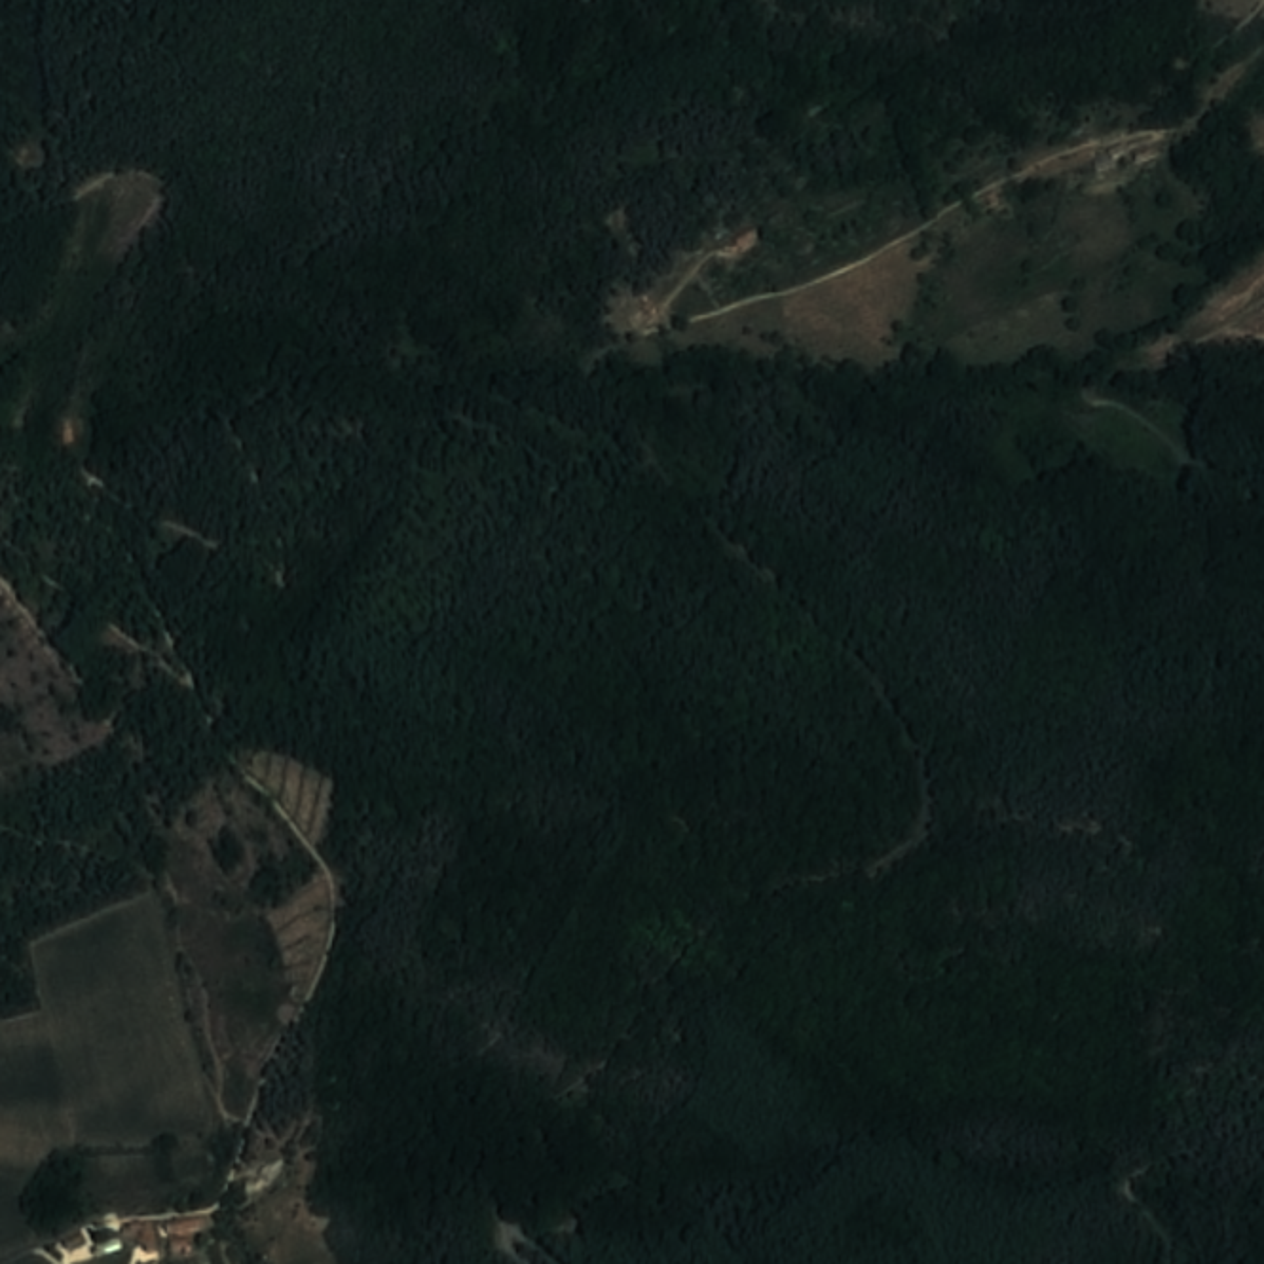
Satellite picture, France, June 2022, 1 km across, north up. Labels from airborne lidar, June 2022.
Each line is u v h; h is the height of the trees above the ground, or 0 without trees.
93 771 18
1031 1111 20
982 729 15
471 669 23
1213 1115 14
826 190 6
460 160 20
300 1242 0
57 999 0
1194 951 13
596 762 20
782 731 17
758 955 20
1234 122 24
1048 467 13
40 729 0
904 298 0
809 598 20
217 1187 0
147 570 18
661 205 14
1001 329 0
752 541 20
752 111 12
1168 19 18
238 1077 0
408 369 12
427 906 10
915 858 10
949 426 26
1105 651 19
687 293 0
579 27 22
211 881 0
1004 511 20
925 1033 11
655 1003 22
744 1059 24
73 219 18
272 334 13
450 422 27
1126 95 12
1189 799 15
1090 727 18
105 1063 0
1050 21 6
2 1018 12
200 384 13
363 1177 12
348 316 14
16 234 25
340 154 17
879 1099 19
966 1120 19
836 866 9
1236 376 35
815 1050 23
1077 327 15
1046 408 0
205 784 21
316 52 10
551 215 23
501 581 12
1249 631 17
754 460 20
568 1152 28
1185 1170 22
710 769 11
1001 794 19
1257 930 12
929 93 9
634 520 19
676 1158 20
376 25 16
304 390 20
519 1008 10
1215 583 21
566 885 16
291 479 14
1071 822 15
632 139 16
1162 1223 8
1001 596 18
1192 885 17
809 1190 21
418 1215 23
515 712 17
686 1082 10
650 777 14
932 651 15
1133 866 12
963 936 13
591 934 17
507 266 20
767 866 14
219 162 16
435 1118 19
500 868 15
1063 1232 15
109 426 21
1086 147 0
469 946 17
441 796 19
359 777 17
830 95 7
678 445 13
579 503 16
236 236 23
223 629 14
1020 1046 16
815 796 16
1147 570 26
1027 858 18
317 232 21
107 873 16
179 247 21
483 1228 21
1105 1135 17
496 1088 19
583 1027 15
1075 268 0
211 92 16
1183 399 30
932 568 20
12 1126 0
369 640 15
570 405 23
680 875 16
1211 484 24
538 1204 20
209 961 0
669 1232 20
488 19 16
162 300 11
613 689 19
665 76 21
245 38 18
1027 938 14
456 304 16
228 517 14
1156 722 17
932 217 13
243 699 19
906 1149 29
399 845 10
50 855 15
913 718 18
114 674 16
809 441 11
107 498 13
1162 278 0
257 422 18
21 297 21
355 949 9
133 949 0
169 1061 0
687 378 22
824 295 0
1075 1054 19
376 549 12
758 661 15
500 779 17
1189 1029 7
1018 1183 23
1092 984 14
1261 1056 10
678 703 13
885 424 23
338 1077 9
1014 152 8
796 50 10
